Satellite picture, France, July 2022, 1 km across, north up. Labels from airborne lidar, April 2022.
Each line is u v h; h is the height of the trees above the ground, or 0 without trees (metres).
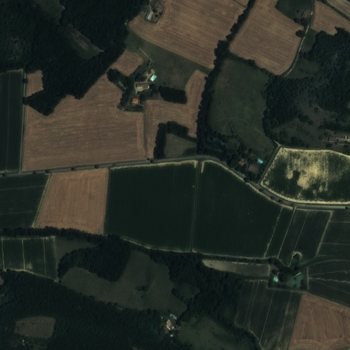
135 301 0
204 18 0
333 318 0
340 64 9
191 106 0
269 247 0
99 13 24
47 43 17
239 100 0
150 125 0
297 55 0
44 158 0
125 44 14
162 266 0
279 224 0
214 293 21
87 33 22
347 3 0
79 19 18
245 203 0
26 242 0
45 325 0
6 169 0
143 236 0
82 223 0
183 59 0
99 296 0
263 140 0
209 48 0
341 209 0
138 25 0
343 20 0
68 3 19
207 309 12
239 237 0
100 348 8
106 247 27
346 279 0
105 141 0
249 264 0
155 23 0
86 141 0
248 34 0
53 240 0
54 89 17
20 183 0
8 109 0
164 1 0
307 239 0
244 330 10
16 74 0
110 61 21
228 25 0
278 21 0
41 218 0
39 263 0
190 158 0
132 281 0
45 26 19
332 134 0
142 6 19
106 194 0
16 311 15
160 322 13
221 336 0
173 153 0
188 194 0
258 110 0
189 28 0
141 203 0
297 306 0
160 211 0
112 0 20
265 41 0
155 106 0
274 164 0
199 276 8
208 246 0
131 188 0
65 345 10
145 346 11
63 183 0
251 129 0
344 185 0
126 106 0
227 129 0
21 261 0
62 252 0
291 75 0
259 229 0
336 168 0
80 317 14
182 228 0
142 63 0
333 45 12
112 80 26
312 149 0
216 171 0
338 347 0
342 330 0
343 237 0
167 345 13
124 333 12
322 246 0
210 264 0
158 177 0
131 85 7
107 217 0
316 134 0
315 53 16
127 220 0
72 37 0
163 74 0
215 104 0
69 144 0
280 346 0
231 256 0
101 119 0
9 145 0
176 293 20
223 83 0
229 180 0
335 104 10
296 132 0
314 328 0
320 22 0
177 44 0
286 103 13
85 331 12
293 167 0
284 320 0
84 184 0
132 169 0
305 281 13
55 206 0
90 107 0
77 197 0
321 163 0
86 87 19
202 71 0
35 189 0
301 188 0
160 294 0
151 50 0
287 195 0
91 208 0
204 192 0
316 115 0
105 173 0
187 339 0
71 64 27
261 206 0
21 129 0
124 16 20
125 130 0
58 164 0
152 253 25
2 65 13
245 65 0
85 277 0
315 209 0
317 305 0
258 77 0
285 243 0
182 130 10
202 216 0
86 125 0
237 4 0
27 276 17
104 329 11
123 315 16
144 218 0
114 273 23
